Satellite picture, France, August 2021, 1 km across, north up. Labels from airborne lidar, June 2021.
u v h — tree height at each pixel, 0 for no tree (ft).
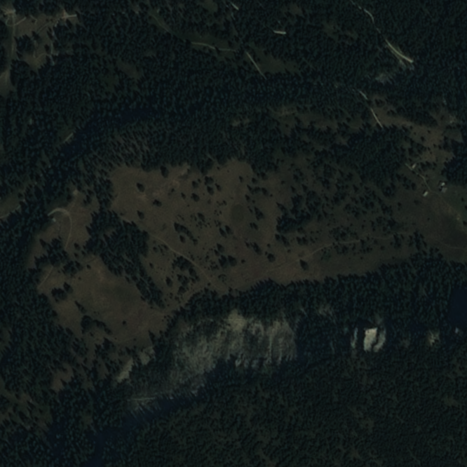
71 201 50
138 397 0
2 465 104
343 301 64
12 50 0
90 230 0
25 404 0
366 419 28
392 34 29
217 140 91
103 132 52
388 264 0
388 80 0
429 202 0
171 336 29
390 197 79
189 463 37
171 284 61
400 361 31
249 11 59
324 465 26
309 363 29
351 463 47
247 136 52
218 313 58
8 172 21
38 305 91
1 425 0
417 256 23
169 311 0
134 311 0
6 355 0
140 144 60
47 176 73
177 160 66
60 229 0
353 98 55
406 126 0
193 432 23
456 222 0
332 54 72
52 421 0
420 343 29
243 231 0
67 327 0
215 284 0
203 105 83
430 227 0
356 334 0
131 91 74
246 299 60
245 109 77
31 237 87
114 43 72
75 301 0
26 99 67
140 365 37
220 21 58
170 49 71
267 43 72
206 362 0
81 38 60
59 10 64
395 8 80
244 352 0
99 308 0
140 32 46
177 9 65
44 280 0
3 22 0
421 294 58
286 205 0
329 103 54
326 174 29
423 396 42
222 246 45
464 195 0
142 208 0
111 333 72
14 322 71
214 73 57
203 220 31
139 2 53
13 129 102
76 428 98
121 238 78
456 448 33
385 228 20
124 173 0
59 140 90
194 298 21
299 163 0
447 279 109
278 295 72
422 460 30
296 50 21
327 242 0
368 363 32
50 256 50
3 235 80
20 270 109
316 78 80
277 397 33
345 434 37
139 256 56
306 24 82
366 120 74
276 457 34
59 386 0
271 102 57
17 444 111
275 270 0
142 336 0
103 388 30
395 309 30
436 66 63
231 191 0
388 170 59
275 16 81
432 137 0
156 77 106
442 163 0
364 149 91
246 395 37
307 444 32
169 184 0
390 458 37
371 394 27
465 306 52
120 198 0
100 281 0
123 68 0
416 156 39
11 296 107
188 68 47
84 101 89
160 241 0
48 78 82
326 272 0
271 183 0
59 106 109
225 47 0
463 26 68
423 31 81
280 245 0
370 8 50
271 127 89
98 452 22
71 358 96
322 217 62
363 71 52
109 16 83
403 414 36
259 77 32
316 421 43
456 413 25
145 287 65
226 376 38
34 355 89
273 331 0
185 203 0
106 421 50
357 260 0
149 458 23
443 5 31
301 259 0
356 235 26
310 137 67
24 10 71
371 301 48
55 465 97
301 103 32
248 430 26
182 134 84
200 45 0
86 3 95
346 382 47
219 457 27
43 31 0
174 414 55
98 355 29
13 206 0
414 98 67
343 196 26
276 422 38
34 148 82
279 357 0
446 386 46
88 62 87
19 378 99
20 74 39
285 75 32
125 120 37
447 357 26
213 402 24
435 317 33
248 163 22
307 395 36
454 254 0
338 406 28
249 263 0
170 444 41
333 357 21
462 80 75
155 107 70
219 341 0
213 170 0
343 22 48
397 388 40
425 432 32
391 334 31
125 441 21
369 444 40
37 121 70
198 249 0
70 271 43
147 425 30
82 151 78
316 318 35
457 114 41
